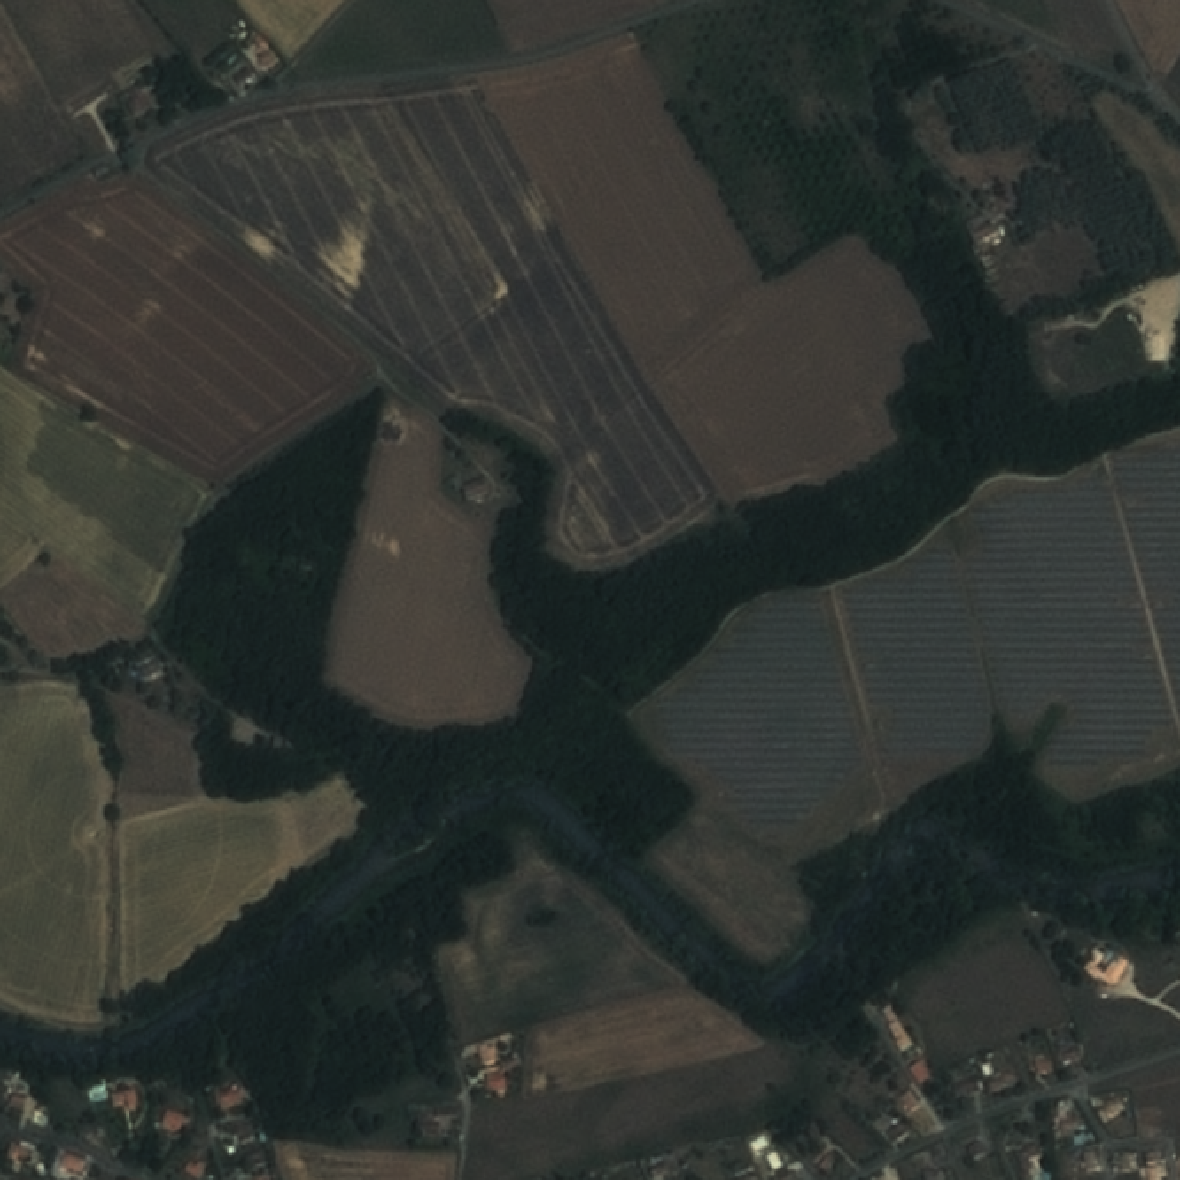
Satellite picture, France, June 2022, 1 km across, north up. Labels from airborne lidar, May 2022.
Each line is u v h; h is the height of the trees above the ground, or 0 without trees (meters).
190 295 0
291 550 14
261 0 0
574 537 0
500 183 0
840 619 0
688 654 14
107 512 0
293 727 21
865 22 14
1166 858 6
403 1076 10
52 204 0
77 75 0
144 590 0
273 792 19
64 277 0
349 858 20
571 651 19
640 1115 0
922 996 0
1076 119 16
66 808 0
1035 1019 0
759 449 0
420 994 8
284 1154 0
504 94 0
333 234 0
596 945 0
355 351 0
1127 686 0
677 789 15
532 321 0
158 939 0
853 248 0
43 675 0
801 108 0
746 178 0
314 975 17
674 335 0
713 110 16
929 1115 0
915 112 0
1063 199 14
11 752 0
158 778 0
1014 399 15
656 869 0
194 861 0
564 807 0
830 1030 21
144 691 10
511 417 0
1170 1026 0
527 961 0
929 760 0
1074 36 0
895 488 7
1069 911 19
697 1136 0
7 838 0
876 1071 8
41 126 0
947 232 13
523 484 20
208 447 0
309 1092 9
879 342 0
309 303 0
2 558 0
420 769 18
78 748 0
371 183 0
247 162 0
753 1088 0
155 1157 11
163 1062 15
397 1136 0
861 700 0
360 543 0
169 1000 27
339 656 0
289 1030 21
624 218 0
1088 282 13
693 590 19
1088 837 9
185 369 0
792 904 0
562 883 0
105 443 0
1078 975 7
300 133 0
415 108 0
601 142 0
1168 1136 0
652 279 0
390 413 0
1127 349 0
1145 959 0
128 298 0
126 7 0
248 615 16
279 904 13
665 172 0
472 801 0
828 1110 0
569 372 0
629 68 0
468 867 20
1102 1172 0
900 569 0
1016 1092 7
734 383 0
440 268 0
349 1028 11
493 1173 0
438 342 0
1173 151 0
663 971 0
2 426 0
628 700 15
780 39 8
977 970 0
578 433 0
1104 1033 0
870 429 0
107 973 0
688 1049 0
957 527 0
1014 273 0
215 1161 6
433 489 0
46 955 0
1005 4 0
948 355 11
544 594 20
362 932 8
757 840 0
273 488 10
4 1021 10
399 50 0
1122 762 0
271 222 0
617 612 17
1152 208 14
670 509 0
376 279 0
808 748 0
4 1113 7
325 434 8
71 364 0
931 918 15
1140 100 13
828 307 0
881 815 0
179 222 0
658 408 0
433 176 0
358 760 28
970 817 19
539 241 0
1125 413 18
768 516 13
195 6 0
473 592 0
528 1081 0
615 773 21
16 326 9
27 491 0
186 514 0
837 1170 8
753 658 0
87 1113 8
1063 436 17
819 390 0
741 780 0
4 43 0
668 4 0
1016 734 0
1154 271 6
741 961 7
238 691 18
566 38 0
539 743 20
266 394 0
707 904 0
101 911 0
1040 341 0
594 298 0
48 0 0
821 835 0
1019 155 0
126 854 0
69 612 0
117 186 0
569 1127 0
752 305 0
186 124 0
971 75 16
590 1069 0
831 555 22
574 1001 0
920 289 10
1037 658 0
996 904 9
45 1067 10
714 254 0
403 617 0
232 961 24
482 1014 0
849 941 29
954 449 23
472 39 0
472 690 0
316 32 0
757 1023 15
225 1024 22
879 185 12
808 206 7
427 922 17
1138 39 0
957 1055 0
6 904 0
